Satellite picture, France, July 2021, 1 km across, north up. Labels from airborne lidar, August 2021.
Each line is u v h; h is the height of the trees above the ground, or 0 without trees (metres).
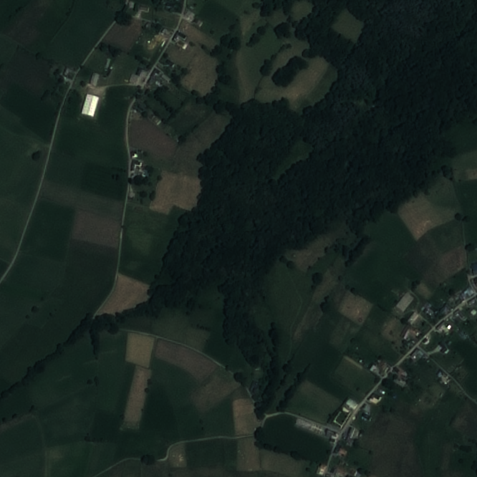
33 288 0
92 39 0
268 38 0
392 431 0
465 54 33
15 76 0
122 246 0
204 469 0
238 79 0
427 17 31
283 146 30
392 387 18
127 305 0
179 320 0
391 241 0
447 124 23
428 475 0
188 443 0
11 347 0
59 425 0
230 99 0
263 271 21
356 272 0
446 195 0
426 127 22
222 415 0
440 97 22
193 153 0
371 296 0
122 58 0
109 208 0
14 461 0
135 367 0
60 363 0
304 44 0
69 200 0
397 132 25
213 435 0
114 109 0
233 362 0
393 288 0
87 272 0
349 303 0
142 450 0
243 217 27
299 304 0
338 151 27
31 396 0
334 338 0
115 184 0
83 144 0
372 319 0
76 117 0
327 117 30
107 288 0
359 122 26
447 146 8
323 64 0
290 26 11
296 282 0
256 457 0
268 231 21
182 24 0
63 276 0
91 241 0
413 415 0
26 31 0
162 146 0
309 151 0
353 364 0
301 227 21
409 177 25
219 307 0
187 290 24
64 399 0
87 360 0
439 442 0
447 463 0
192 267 24
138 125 0
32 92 0
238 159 29
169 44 0
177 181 0
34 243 0
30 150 0
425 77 28
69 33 0
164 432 0
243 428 0
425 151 22
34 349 0
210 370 0
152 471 0
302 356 0
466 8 30
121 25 15
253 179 23
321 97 0
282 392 0
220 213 24
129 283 0
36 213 0
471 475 0
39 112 0
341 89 25
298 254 0
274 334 22
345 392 0
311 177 27
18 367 0
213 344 0
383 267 0
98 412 0
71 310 0
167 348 0
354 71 31
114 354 0
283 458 0
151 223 0
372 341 0
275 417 0
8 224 0
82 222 0
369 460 0
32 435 0
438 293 0
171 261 22
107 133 0
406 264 0
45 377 0
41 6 0
